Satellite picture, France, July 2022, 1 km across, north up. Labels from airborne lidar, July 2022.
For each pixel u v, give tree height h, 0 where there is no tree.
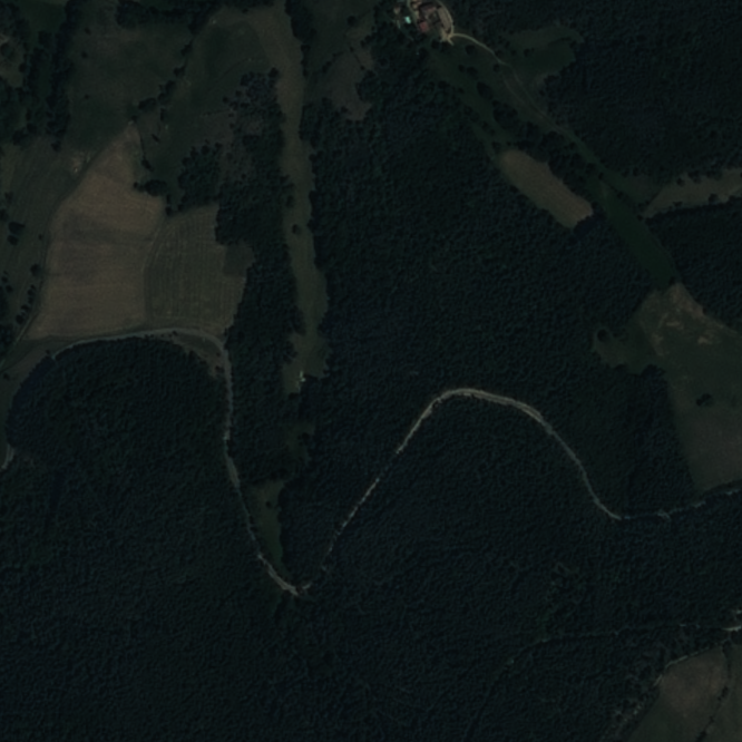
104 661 11
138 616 14
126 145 0
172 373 13
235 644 26
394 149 16
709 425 0
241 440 22
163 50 0
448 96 21
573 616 12
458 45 0
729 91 11
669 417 19
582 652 18
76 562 17
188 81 0
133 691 20
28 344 0
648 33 18
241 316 11
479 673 22
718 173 13
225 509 21
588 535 25
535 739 6
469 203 17
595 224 28
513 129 20
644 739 0
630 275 32
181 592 22
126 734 16
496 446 9
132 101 0
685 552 15
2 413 0
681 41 11
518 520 15
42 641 8
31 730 19
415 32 18
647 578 19
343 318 12
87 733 17
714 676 0
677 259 11
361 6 0
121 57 0
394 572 16
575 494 20
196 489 14
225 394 10
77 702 17
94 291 0
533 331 20
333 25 0
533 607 12
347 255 17
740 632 9
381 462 18
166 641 23
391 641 23
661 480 24
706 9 15
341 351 21
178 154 0
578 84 10
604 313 24
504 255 15
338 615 17
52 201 0
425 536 17
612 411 20
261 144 12
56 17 0
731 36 9
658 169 10
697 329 0
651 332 0
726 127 16
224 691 27
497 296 16
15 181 0
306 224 0
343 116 7
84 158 0
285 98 0
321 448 23
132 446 12
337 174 8
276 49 0
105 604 17
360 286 18
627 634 19
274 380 25
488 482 9
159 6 0
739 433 0
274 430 24
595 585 20
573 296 26
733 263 14
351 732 22
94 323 0
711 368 0
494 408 9
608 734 6
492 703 16
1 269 0
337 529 18
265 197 12
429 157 15
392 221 9
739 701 0
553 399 13
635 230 0
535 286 23
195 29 19
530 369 18
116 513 16
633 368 0
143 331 0
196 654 24
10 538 14
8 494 9
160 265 0
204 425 8
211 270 0
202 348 0
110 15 0
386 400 10
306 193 0
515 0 16
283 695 27
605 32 16
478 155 20
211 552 20
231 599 19
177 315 0
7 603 21
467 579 15
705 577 19
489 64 0
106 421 10
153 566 13
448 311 10
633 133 13
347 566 17
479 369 9
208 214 0
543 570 26
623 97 21
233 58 0
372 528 20
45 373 24
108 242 0
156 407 14
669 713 0
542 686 15
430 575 17
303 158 0
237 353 12
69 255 0
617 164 8
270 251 13
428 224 10
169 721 23
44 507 16
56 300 0
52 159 0
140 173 0
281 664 22
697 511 19
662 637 14
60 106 9
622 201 8
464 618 16
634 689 8
